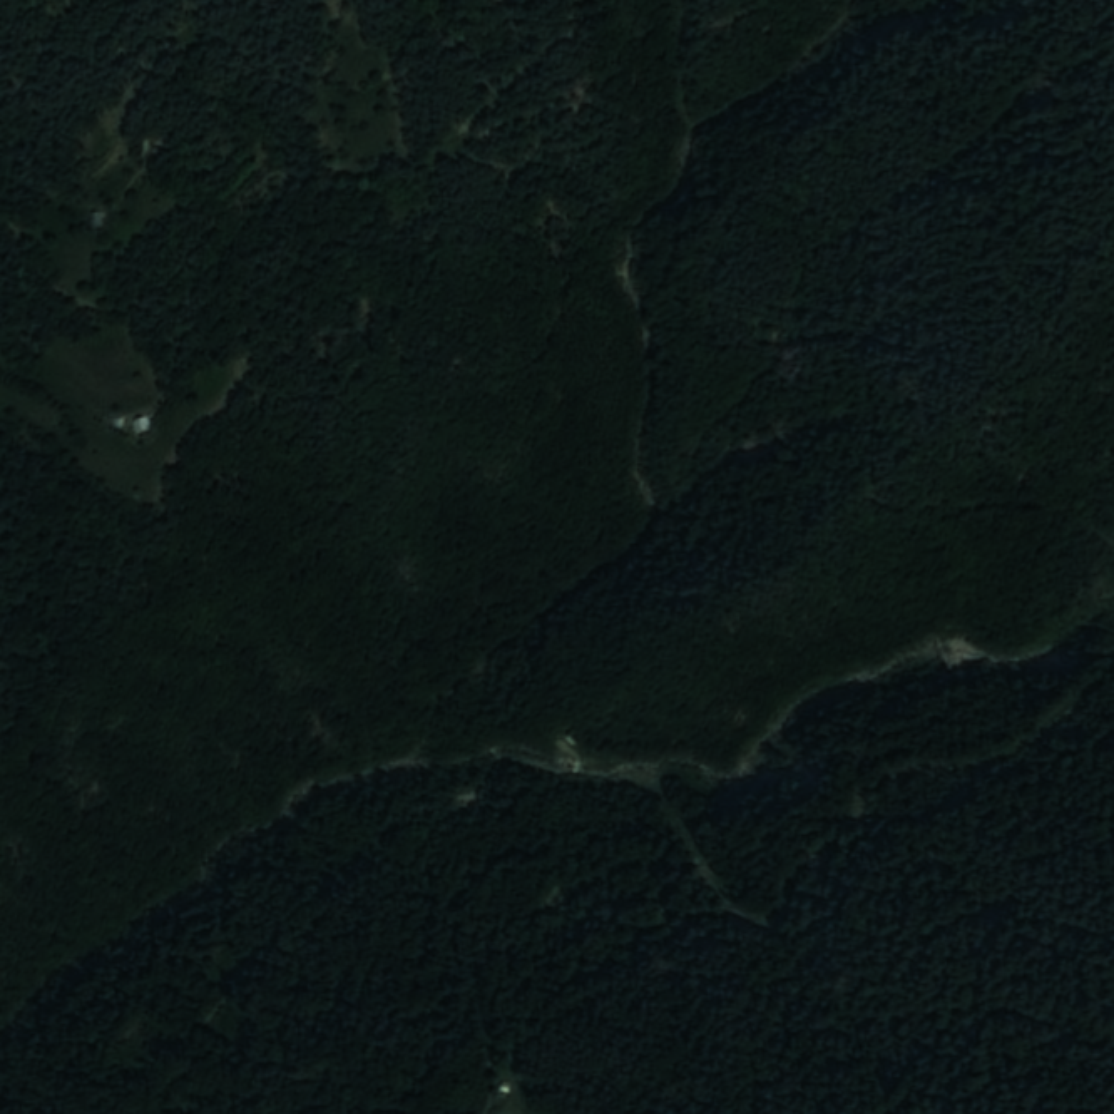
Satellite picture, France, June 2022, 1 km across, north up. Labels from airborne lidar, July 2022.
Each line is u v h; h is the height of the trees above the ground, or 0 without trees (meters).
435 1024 34
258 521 36
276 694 24
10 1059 26
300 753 29
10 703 28
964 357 38
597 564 13
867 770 20
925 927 31
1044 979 29
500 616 27
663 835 9
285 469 25
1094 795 33
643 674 16
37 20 24
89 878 23
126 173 14
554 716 20
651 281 16
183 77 23
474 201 25
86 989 28
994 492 36
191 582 29
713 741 12
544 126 26
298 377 28
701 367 24
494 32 18
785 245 35
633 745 20
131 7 29
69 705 22
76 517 24
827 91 21
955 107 16
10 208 21
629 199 19
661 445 16
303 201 28
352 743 20
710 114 9
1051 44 28
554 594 20
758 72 17
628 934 32
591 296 18
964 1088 30
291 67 28
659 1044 26
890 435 19
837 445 18
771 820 25
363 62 0
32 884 24
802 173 23
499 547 31
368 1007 33
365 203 20
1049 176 25
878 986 32
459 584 29
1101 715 15
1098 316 29
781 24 19
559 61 21
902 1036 26
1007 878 35
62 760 12
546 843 15
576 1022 29
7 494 24
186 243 24
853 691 8
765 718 10
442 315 19
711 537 24
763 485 30
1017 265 35
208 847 14
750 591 15
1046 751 17
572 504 20
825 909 29
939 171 19
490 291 21
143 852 21
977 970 25
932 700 16
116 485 0
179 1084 21
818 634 8
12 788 30
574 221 25
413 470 19
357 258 27
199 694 26
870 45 23
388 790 23
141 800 27
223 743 26
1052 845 29
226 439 29
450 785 18
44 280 10
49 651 8
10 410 12
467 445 21
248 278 26
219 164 18
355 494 22
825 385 19
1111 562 9
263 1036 29
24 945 28
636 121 7
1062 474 28
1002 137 23
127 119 11
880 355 32
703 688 17
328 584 31
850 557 24
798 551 21
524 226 20
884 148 18
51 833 29
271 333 30
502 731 22
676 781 10
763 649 12
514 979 25
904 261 22
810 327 32
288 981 25
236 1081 28
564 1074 31
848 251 26
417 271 27
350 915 24
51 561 29
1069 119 15
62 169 19
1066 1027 21
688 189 18
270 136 20
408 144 18
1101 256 35
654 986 36
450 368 15
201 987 31
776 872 30
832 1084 26
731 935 27
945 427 25
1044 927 38
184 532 20
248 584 18
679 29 10
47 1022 29
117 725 18
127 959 27
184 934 34
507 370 14
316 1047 33
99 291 19
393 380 23
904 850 33
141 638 24
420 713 19
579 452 18
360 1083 33
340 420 26
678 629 18
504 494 21
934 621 12
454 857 11
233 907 23
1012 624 12
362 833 17
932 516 26
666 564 32
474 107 15
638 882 25
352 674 28
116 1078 17
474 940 29
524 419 23
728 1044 27
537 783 20
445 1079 22
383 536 16
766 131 22
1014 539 30
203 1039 26
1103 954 38
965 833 30
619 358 16
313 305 33
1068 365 19
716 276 21
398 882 18
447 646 27
